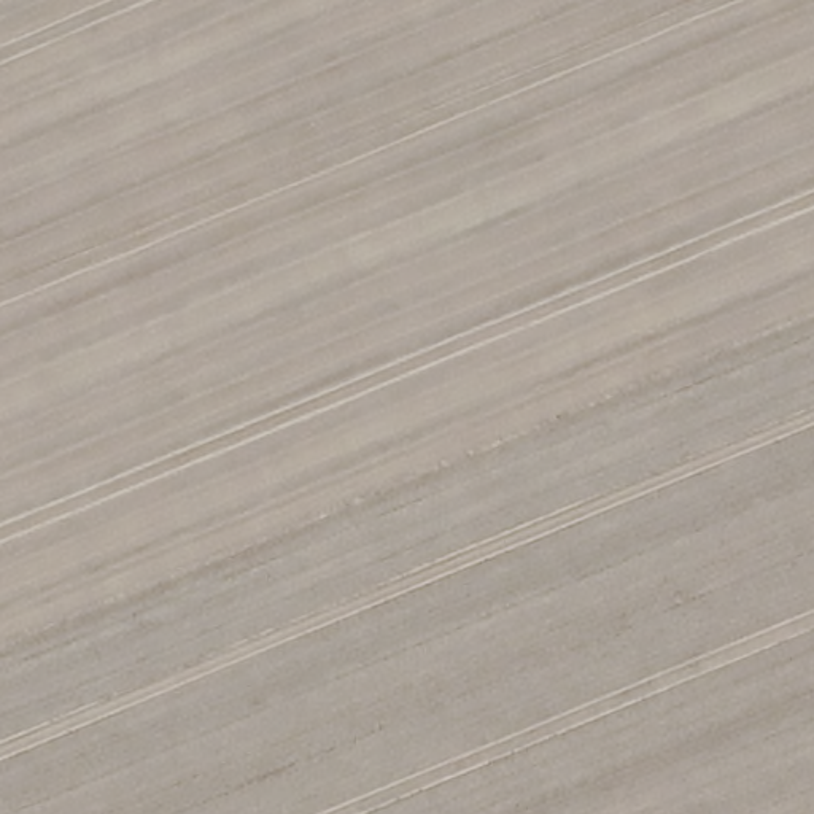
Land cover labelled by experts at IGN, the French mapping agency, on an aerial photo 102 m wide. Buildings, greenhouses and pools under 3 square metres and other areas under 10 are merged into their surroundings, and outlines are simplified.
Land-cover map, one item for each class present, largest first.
<instances>
[{"label":"agricultural land","instance_id":"1","mask_svg":"<svg viewBox=\"0 0 814 814\"><path fill-rule=\"evenodd\" d=\"M0 814H814V0H0Z\"/></svg>","mask_w":814,"mask_h":814}]
</instances>
